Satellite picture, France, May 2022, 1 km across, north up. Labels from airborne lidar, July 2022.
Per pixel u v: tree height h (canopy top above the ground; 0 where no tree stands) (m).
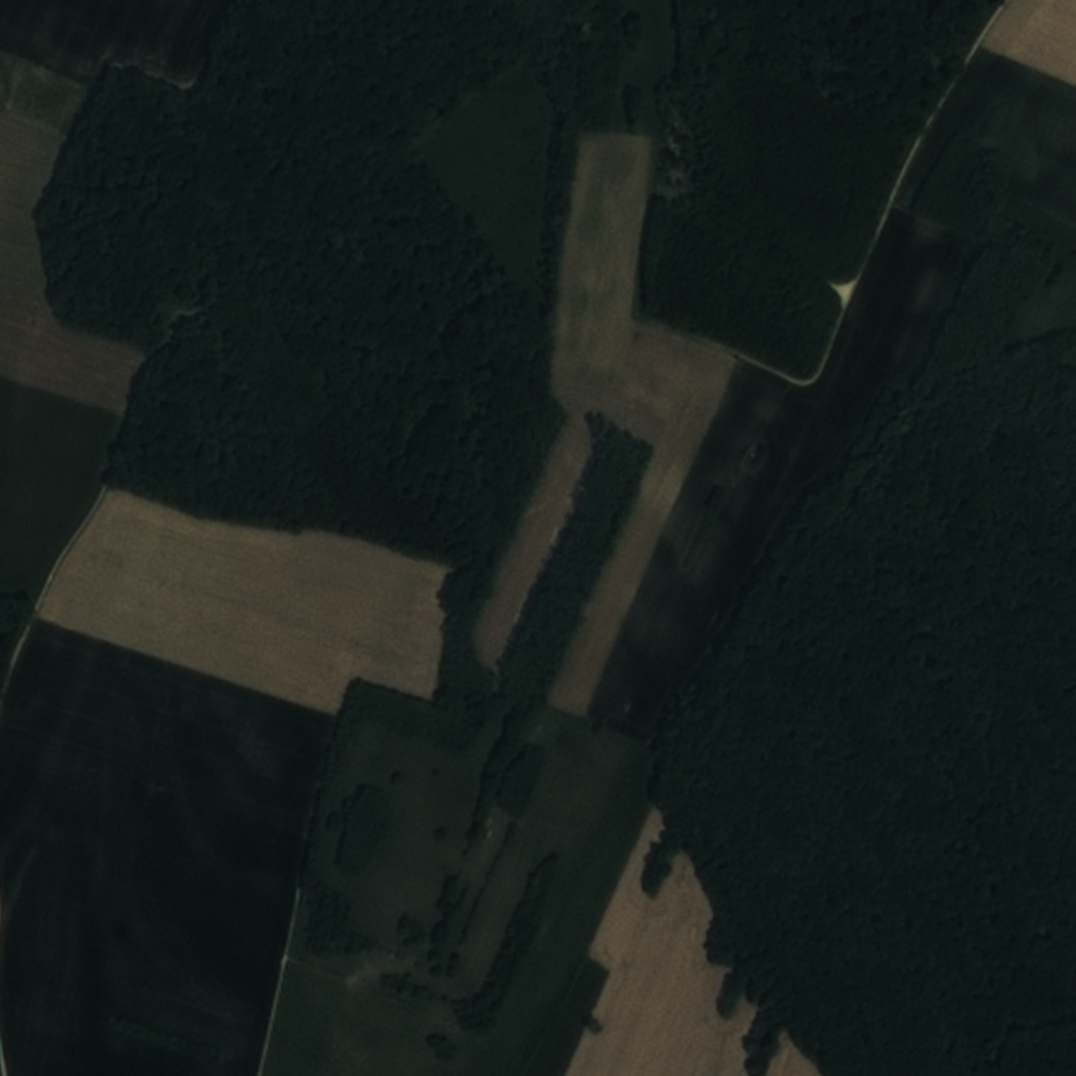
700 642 0
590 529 19
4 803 0
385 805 12
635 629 0
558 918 0
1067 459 16
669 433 0
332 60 20
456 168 0
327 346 25
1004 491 20
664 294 10
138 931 0
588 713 0
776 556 18
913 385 14
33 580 0
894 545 21
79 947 0
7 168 0
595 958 0
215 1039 0
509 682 22
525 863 0
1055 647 20
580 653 0
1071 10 0
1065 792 22
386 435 21
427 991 7
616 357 0
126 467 16
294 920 0
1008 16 0
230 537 0
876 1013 17
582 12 19
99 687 0
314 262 19
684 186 11
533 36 19
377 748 0
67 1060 0
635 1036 0
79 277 21
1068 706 23
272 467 24
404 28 23
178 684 0
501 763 14
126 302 21
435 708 13
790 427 0
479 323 26
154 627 0
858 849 19
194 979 0
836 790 22
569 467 0
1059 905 21
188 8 0
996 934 21
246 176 23
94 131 17
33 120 0
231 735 0
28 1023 0
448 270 23
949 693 22
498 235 0
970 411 19
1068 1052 21
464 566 12
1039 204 0
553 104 23
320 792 9
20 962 0
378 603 0
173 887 0
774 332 12
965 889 24
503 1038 0
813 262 13
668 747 21
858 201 12
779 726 21
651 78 0
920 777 21
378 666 0
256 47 21
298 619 0
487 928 0
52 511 0
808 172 11
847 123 10
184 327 17
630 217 0
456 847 0
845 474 16
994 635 22
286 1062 0
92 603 0
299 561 0
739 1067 0
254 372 15
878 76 25
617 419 0
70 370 0
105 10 0
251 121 19
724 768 21
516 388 25
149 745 0
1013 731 24
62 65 0
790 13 28
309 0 19
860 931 21
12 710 0
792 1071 0
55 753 0
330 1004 0
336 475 16
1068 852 23
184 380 17
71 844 0
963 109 0
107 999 0
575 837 0
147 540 0
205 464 20
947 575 25
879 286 0
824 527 18
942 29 25
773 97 12
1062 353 16
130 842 0
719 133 8
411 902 0
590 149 0
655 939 0
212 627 0
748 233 12
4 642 19
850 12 24
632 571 0
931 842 17
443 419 32
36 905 0
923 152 0
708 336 8
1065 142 0
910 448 22
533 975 0
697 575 0
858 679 21
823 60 6
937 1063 18
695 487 0
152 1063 0
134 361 0
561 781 0
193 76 0
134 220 21
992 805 21
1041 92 0
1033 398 21
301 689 0
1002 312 15
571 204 15
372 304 23
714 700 24
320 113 25
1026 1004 23
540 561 0
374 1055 0
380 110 23
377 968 0
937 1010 17
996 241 14
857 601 22
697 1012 0
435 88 24
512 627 0
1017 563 22
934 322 0
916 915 22
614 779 0
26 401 0
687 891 0
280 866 0
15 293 0
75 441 0
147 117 25
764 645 20
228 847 0
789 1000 19
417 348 23
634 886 0
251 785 0
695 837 19
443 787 0
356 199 24
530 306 23
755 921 18
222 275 21
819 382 0
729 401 0
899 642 21
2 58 0
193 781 0
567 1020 0
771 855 17
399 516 14
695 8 16
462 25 23
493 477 19
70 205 20
